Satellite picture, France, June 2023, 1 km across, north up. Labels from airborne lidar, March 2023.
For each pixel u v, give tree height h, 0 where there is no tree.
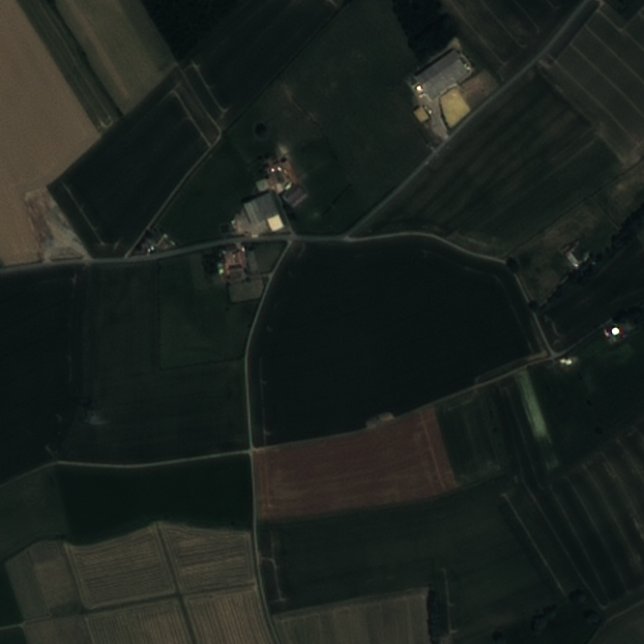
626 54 0
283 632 0
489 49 0
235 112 0
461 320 0
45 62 0
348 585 0
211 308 0
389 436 0
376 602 0
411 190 0
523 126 0
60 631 0
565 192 0
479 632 0
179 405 0
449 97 0
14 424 0
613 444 0
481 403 0
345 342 0
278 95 0
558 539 0
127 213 0
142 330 0
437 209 0
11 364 0
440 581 0
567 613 0
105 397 0
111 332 0
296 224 0
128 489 0
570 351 0
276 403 0
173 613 0
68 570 0
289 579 0
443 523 0
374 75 0
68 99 0
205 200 0
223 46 0
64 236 0
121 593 0
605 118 0
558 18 0
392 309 0
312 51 0
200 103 0
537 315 0
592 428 0
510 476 0
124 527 0
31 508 0
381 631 0
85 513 0
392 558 0
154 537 0
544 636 0
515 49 0
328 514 0
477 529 0
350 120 0
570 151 0
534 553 0
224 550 0
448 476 0
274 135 0
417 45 11
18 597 0
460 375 0
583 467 0
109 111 0
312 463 0
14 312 0
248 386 0
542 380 0
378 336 0
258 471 0
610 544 0
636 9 0
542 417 0
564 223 0
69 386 0
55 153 0
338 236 0
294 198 0
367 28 0
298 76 0
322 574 0
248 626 0
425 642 0
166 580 0
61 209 0
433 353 0
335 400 0
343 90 0
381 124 0
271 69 0
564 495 0
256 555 0
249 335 0
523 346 0
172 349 0
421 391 0
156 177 0
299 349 0
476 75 0
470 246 0
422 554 0
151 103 0
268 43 0
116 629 0
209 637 0
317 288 0
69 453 0
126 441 0
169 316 0
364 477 0
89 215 0
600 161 0
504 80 0
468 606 0
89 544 0
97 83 0
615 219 0
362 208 0
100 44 0
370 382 0
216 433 0
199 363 0
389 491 0
